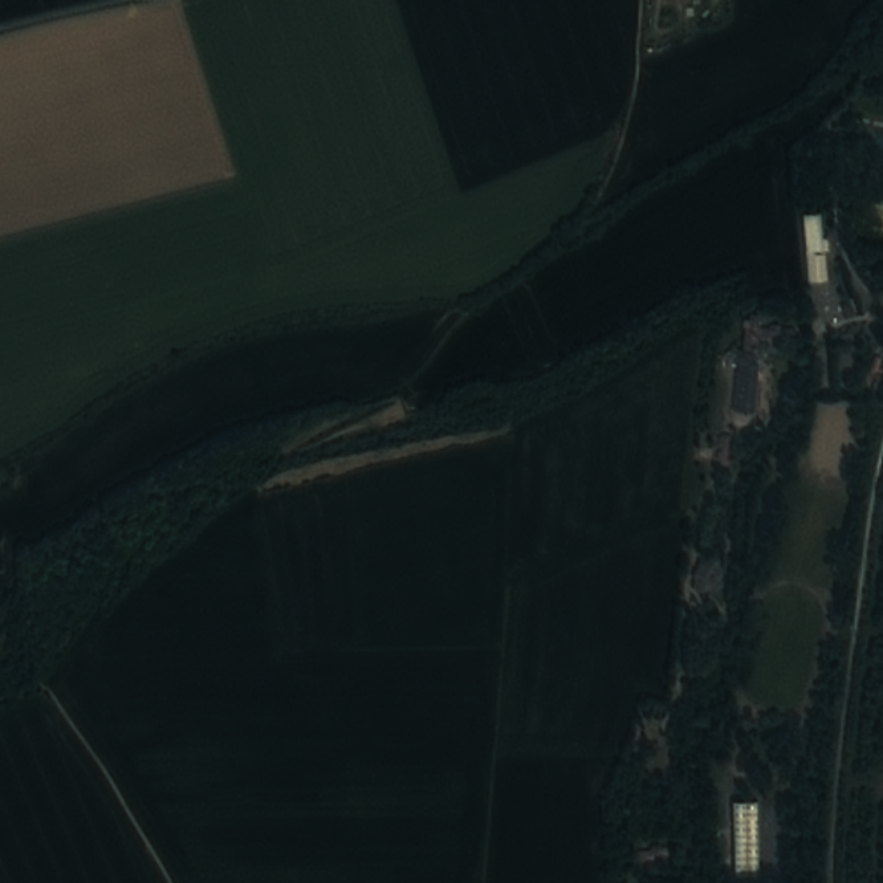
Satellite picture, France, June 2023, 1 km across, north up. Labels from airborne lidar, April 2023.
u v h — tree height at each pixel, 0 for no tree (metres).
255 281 0
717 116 0
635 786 16
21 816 0
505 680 0
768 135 0
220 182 0
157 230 0
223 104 0
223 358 0
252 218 0
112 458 0
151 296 0
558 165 0
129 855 0
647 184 8
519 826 0
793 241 0
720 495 15
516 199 0
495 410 6
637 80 0
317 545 0
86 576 21
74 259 0
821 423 0
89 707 0
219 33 0
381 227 0
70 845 0
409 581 0
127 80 0
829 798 14
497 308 0
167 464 20
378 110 0
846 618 13
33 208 0
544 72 0
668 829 21
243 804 0
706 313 11
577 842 0
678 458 0
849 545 26
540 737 0
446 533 0
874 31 31
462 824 0
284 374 0
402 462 0
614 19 0
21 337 0
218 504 16
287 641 0
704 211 0
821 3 0
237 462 16
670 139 0
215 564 0
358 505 0
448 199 0
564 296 0
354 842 0
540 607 0
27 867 0
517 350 0
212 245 0
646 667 0
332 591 0
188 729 0
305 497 0
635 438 0
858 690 8
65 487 0
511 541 0
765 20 0
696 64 0
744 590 16
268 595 0
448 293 0
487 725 0
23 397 0
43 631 19
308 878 0
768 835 0
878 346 0
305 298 0
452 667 0
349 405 9
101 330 0
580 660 0
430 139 0
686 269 0
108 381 0
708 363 10
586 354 23
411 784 0
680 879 23
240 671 0
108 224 0
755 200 0
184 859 0
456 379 0
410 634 0
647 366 0
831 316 0
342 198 0
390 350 0
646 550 0
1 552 0
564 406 0
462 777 0
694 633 24
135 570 21
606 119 0
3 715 0
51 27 0
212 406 0
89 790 0
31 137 0
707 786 31
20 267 0
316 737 0
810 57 0
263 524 0
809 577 0
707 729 34
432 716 0
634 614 0
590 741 0
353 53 0
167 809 0
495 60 0
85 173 0
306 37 0
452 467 0
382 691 0
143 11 0
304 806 0
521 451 0
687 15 0
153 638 0
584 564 0
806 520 0
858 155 36
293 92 0
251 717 0
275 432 20
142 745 0
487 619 0
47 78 0
